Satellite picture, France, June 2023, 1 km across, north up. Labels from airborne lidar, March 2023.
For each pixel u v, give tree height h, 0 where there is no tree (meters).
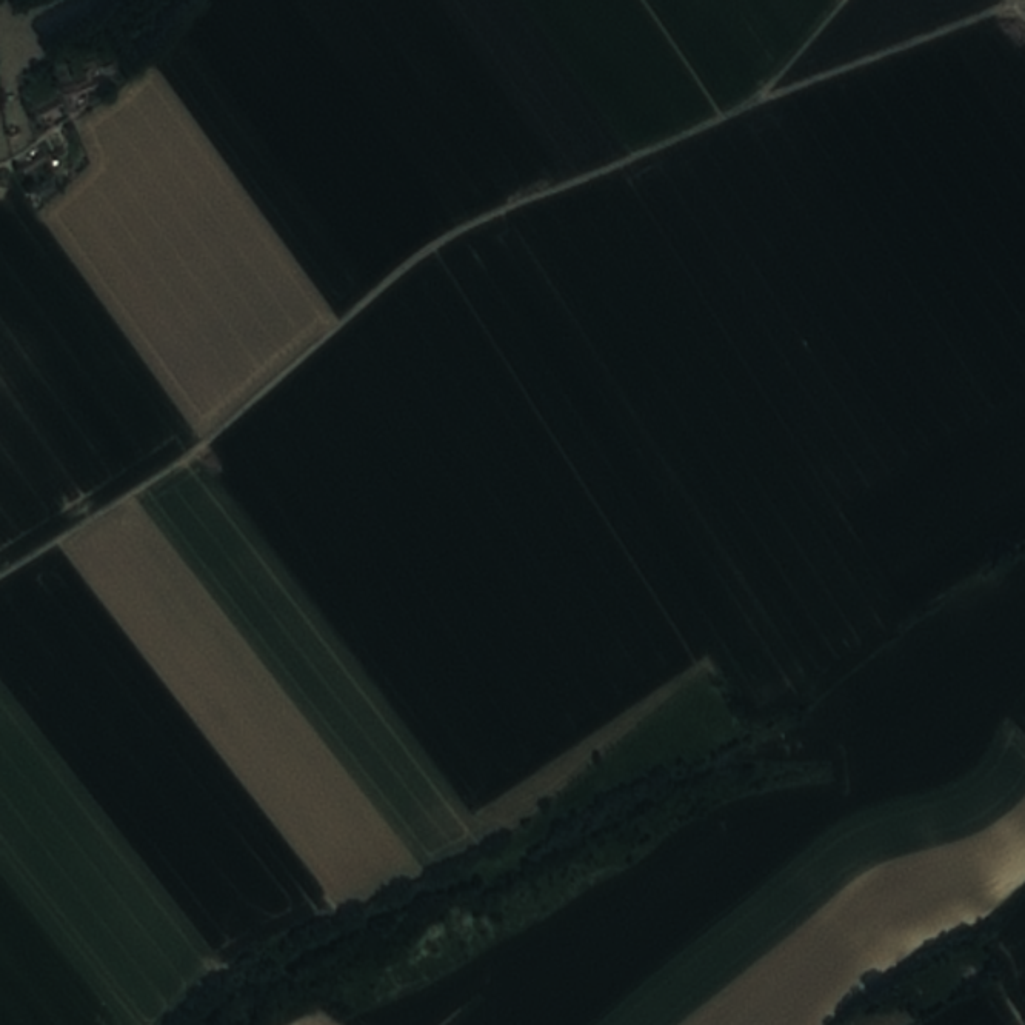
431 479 0
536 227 0
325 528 0
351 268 0
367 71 0
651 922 0
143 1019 0
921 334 0
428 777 0
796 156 0
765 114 0
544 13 0
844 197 0
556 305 0
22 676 0
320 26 0
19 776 0
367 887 0
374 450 0
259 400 0
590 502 0
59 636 0
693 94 0
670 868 0
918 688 0
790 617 0
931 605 7
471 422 0
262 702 0
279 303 0
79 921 0
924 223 0
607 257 0
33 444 0
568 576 0
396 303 0
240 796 0
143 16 22
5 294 0
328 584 0
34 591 0
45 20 0
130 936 0
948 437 0
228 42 0
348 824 0
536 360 0
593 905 0
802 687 0
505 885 12
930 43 0
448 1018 0
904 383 0
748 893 0
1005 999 0
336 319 0
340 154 0
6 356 0
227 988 12
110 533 0
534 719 0
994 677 0
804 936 0
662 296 0
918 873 0
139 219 0
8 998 0
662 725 0
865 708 0
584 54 0
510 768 0
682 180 0
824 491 0
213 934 0
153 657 0
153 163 0
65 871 0
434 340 0
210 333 0
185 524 0
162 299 0
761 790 12
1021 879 0
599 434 0
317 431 0
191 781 0
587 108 0
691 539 0
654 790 18
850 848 0
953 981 0
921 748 0
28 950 0
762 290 0
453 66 0
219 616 0
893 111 0
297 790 0
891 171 0
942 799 0
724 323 0
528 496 0
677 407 0
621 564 0
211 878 0
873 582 0
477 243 0
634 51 0
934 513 0
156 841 0
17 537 0
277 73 0
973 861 0
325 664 0
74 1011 0
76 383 0
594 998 0
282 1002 8
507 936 0
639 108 0
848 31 0
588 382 0
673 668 0
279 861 0
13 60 0
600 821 10
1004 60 0
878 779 0
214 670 0
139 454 0
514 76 0
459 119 0
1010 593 0
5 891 0
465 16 0
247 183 0
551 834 9
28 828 0
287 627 0
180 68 0
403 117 0
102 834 0
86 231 0
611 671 0
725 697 6
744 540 0
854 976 0
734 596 0
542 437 0
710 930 0
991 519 0
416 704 0
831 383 0
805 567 0
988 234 0
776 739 0
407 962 0
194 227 0
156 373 0
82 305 0
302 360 0
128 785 0
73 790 0
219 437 0
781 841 0
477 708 0
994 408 0
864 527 0
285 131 0
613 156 0
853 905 0
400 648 0
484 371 0
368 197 0
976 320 0
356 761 0
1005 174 0
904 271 0
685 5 0
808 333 0
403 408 0
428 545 0
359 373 0
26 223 0
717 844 0
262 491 0
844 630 0
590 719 0
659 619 0
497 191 0
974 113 0
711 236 0
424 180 0
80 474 0
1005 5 0
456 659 0
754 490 0
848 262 0
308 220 0
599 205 0
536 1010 0
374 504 0
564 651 0
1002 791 0
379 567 0
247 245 0
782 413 0
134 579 0
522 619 0
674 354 0
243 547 0
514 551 0
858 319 0
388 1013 0
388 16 0
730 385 0
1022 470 0
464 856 8
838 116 0
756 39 0
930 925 0
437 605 0
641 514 0
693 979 0
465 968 0
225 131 0
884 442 0
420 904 16
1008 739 0
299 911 0
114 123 0
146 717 0
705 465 0
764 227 0
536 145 0
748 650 0
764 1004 0
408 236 0
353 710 0
